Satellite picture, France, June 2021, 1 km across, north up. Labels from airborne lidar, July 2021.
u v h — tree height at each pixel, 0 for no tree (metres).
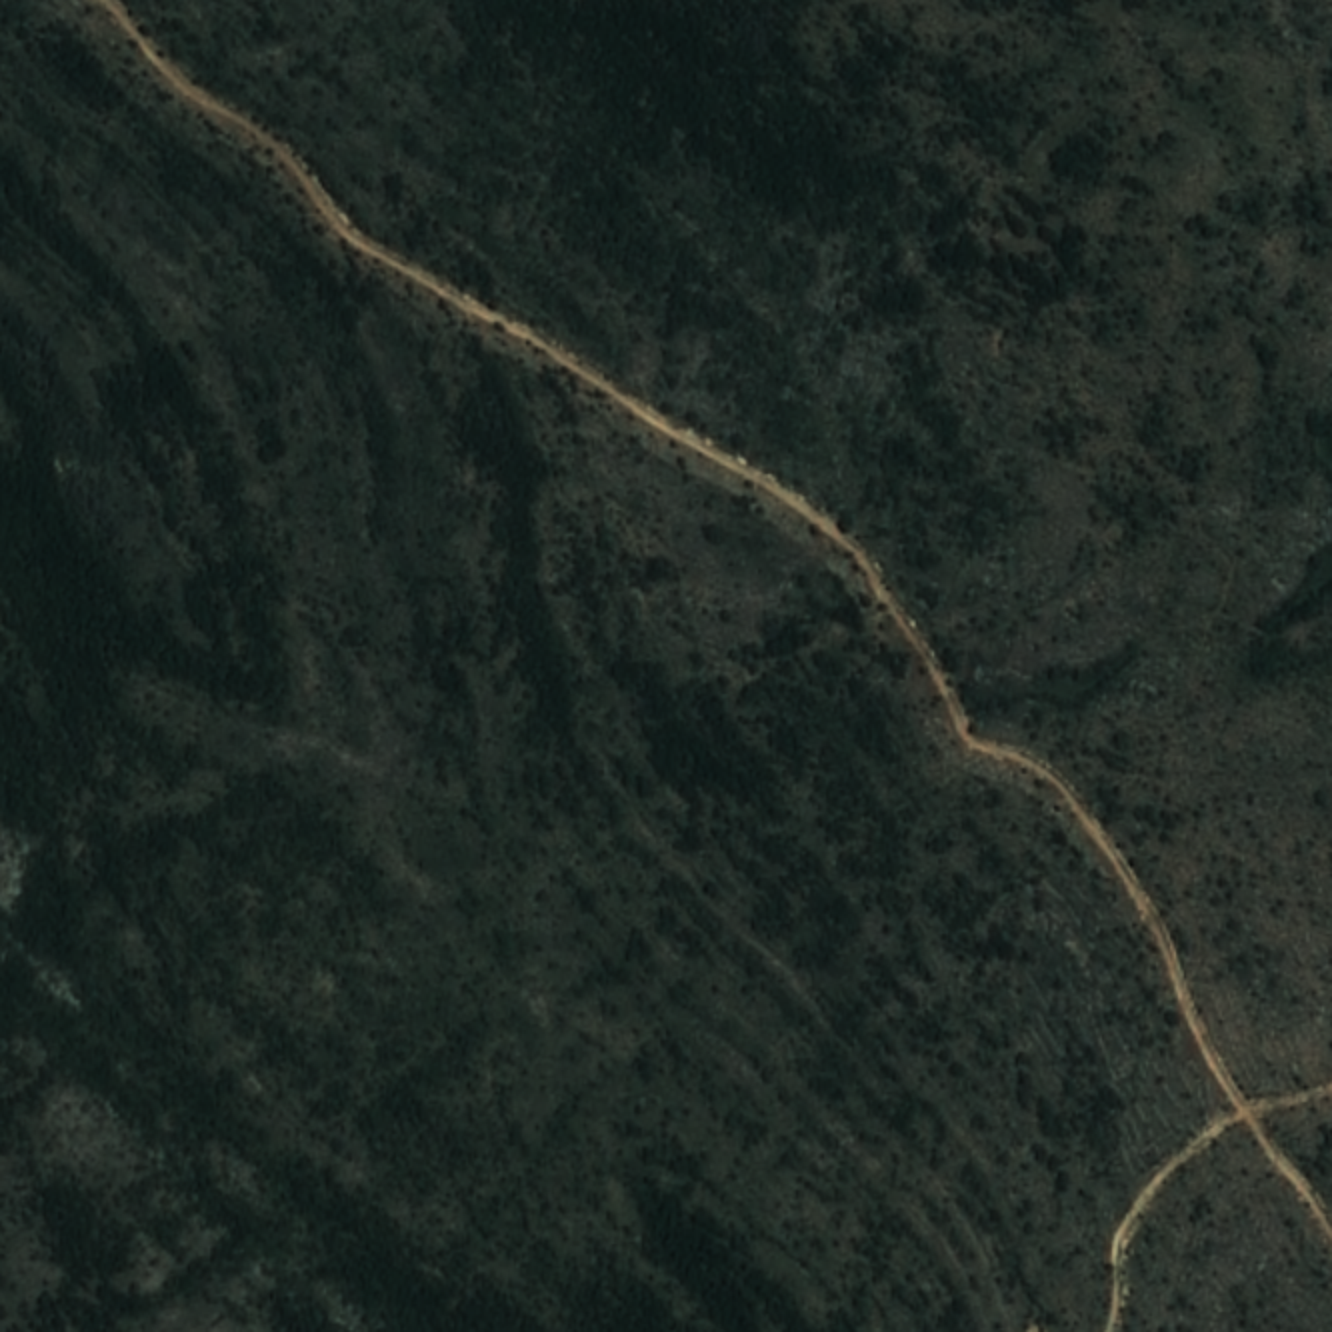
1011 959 6
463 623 8
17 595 7
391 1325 6
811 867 8
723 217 6
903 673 8
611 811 8
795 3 7
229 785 7
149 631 10
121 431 6
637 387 0
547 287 6
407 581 5
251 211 6
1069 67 0
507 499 8
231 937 5
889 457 8
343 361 6
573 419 6
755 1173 0
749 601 0
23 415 7
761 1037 0
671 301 6
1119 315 8
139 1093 6
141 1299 10
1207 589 0
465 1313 8
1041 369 0
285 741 0
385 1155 8
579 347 0
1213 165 0
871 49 8
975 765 0
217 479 11
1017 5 9
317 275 8
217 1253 8
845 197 10
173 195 7
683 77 7
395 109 6
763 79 7
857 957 0
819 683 8
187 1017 7
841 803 8
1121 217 6
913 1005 7
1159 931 0
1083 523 0
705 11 7
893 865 8
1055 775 0
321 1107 8
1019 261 9
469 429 6
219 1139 6
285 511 6
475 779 6
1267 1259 0
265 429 9
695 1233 8
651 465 0
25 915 10
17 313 7
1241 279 6
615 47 9
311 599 6
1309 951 0
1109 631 0
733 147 7
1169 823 6
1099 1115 7
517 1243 7
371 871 7
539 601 7
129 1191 6
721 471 0
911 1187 6
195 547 9
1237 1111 0
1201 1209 7
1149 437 6
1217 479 0
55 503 9
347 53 7
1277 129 0
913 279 8
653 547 0
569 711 6
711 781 6
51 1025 6
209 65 5
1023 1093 10
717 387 8
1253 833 6
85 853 6
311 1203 7
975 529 7
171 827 9
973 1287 6
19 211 6
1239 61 0
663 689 6
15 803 10
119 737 6
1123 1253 0
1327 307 0
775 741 9
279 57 0
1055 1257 6
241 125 0
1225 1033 0
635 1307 7
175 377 12
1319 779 0
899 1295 7
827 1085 6
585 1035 7
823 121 9
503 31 8
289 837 5
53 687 8
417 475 6
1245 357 0
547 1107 0
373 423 8
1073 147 6
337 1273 9
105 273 7
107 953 6
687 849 7
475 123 7
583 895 9
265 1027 5
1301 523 0
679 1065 6
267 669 6
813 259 6
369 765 0
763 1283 9
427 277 0
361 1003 7
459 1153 7
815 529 9
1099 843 0
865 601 9
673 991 7
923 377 8
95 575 10
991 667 6
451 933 0
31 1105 6
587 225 7
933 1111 8
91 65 11
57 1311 8
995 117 7
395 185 10
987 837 6
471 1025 8
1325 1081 0
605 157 7
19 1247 0
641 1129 8
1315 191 8
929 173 7
